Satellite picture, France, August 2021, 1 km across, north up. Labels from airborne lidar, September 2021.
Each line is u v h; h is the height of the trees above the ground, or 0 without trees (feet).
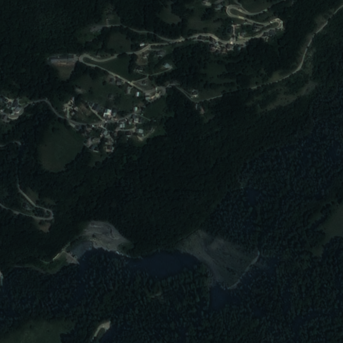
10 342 0
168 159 89
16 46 66
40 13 58
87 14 67
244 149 46
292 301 80
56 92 85
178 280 76
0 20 90
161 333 20
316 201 80
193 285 65
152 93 0
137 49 30
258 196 61
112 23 0
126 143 21
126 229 78
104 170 86
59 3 58
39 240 90
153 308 29
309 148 59
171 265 0
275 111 39
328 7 28
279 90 36
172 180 107
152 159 111
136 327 107
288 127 51
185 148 46
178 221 87
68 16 55
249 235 46
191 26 0
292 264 54
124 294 26
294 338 19
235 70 48
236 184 23
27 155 81
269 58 73
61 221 62
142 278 69
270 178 30
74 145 0
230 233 53
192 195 76
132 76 0
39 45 86
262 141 55
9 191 33
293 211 61
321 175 56
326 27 28
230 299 31
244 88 45
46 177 85
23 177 68
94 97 0
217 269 0
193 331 100
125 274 46
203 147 64
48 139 0
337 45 26
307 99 44
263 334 67
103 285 103
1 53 94
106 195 85
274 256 43
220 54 35
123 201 89
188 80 73
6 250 64
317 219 0
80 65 74
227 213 57
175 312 24
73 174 70
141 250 58
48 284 65
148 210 67
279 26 0
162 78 51
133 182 75
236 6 0
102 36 58
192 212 57
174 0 76
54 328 0
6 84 76
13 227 74
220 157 22
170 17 0
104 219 61
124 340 106
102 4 66
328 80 53
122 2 81
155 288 68
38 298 73
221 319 94
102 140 34
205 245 0
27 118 45
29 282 54
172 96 66
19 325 69
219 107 45
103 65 0
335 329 62
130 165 65
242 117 75
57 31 82
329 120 56
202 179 90
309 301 87
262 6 0
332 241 24
